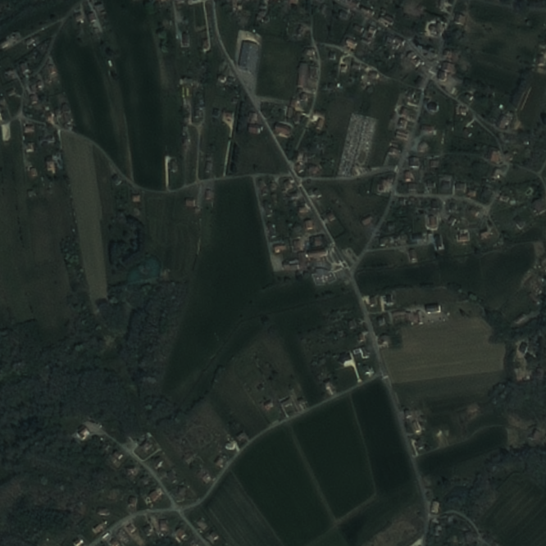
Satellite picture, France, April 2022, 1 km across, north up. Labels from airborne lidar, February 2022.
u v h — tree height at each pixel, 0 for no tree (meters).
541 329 15
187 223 0
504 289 0
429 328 0
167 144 0
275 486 0
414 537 0
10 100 0
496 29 0
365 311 0
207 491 0
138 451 0
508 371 0
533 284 0
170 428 6
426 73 0
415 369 0
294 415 0
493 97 11
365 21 0
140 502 0
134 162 0
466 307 0
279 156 0
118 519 0
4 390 22
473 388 0
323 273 0
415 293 0
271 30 0
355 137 0
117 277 13
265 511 0
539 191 8
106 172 0
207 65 9
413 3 0
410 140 0
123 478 8
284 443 0
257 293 0
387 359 0
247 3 0
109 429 0
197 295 0
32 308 0
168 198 0
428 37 0
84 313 6
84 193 0
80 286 0
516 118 0
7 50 0
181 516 0
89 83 0
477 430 0
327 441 0
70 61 0
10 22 8
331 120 0
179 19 0
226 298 0
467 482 9
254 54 0
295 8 14
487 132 7
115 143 0
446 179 0
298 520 0
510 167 0
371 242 0
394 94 0
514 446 0
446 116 0
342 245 0
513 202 0
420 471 0
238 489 0
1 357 27
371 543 0
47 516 18
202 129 0
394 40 0
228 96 0
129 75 0
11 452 21
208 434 0
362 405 0
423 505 0
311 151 15
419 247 0
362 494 0
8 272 0
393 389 0
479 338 0
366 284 0
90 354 6
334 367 0
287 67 0
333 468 0
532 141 17
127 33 0
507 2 19
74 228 0
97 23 0
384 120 0
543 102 0
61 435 21
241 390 0
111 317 26
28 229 0
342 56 0
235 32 0
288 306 0
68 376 19
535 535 0
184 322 0
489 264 0
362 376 0
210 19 0
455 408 0
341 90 0
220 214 0
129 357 23
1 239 0
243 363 0
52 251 0
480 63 0
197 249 0
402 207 7
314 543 0
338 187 0
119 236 0
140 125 0
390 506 0
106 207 0
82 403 27
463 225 0
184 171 0
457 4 0
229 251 0
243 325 0
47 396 17
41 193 0
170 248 0
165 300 13
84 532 0
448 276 0
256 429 0
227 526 0
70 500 6
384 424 0
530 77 13
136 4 0
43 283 0
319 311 0
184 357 0
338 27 0
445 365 0
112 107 0
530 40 0
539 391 17
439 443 0
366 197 0
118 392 24
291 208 11
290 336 0
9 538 20
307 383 0
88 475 17
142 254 14
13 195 0
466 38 11
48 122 0
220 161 0
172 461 0
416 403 0
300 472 0
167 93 0
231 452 0
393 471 0
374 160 0
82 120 0
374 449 0
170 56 0
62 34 0
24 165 0
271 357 0
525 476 0
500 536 0
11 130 0
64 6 0
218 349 0
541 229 0
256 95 0
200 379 0
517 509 0
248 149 0
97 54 0
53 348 10
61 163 12
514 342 13
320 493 0
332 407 0
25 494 18
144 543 0
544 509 0
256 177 0
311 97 0
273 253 0
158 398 6
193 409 10
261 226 0
